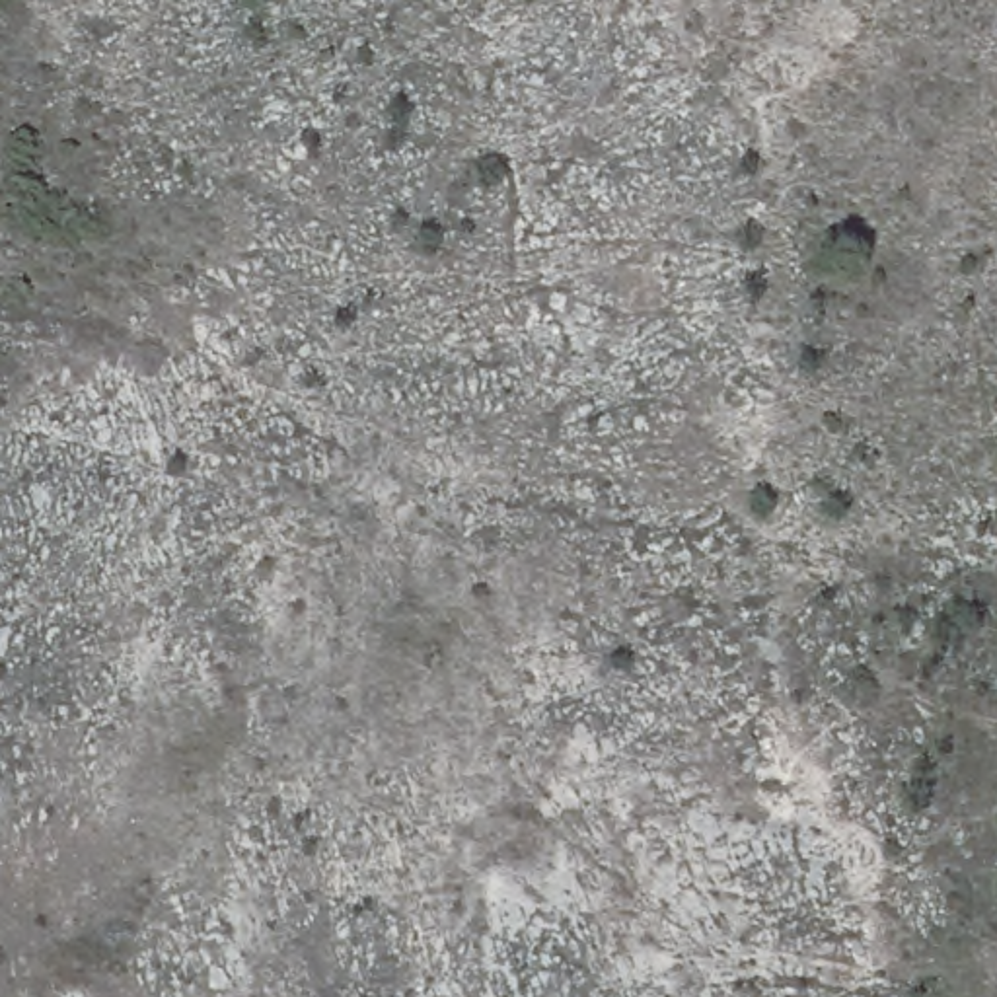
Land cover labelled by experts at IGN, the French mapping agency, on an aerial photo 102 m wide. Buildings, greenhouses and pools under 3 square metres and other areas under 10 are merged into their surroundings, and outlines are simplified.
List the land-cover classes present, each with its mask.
<instances>
[{"label":"bare soil","instance_id":"1","mask_svg":"<svg viewBox=\"0 0 997 997\"><path fill-rule=\"evenodd\" d=\"M31 8V19L19 31V39L31 47L39 62L58 66L62 78L101 70V109L140 105L148 117H167L160 140L171 148V167H179V175L156 179V187H183L199 199H210V210L222 218V245L206 253V273H195L191 284H175L148 300L132 296L129 331L160 339L167 347V362L160 366V374L113 366L109 358H101L86 382H78L70 370H35L31 386L19 389L16 405H0V997H911V985L919 978L942 974V958H900L904 950L927 942V927L946 923V896H939L942 880L927 872L923 853L935 841H966V830L935 806V767L954 752L950 732L962 720L978 724L981 713H989L985 693L997 689V635L985 623V600L950 596L946 572L970 565L978 572L997 576V0H23ZM393 93H409L413 101L409 132L397 152L386 148ZM440 214L475 218V234L444 230L440 253H413L421 222ZM853 214L876 230L872 241H861V253L880 249L888 265V280H876L868 292H861V300L872 304V315H857L841 304H814V292L806 288V249L833 222H845ZM814 475H830L841 491L853 495L845 518L822 514V502L810 491Z\"/></svg>","mask_w":997,"mask_h":997},{"label":"herbaceous vegetation","instance_id":"2","mask_svg":"<svg viewBox=\"0 0 997 997\"><path fill-rule=\"evenodd\" d=\"M31 19V8L23 0H0V405H16L19 389L31 386L35 370H70L78 382H86L101 358H109L113 366L160 374V366L167 362V347L160 339L129 331L132 296L148 300L175 284H191L195 273H206V253L222 245V218L210 210V199H199L183 187H156V179L179 175V167H171V148L160 140L167 117H148L140 105L101 109V70L62 78L58 66L39 62L31 47L19 39V31ZM413 101L409 93H393L386 148L397 152L409 132ZM950 596L985 600V623L997 635V576L978 572L970 565L946 572ZM989 713H981L978 724L962 720L950 732L954 752L935 767V806L966 830V841H935L923 853L927 872L942 880L939 896H946V923L927 927V942L904 950L900 958H942V974L919 978L911 985V997H997V689L985 693Z\"/></svg>","mask_w":997,"mask_h":997},{"label":"brushwood","instance_id":"3","mask_svg":"<svg viewBox=\"0 0 997 997\"><path fill-rule=\"evenodd\" d=\"M444 230L475 234V218L440 214L421 222L413 253H440ZM876 230L853 214L845 222H833L806 249V288L814 292V304H841L857 315H872V304L861 300V292H868L876 280H888V265L880 249L861 253V241H872ZM810 491L822 502V514L845 518L853 495L841 491L830 475H814Z\"/></svg>","mask_w":997,"mask_h":997}]
</instances>
